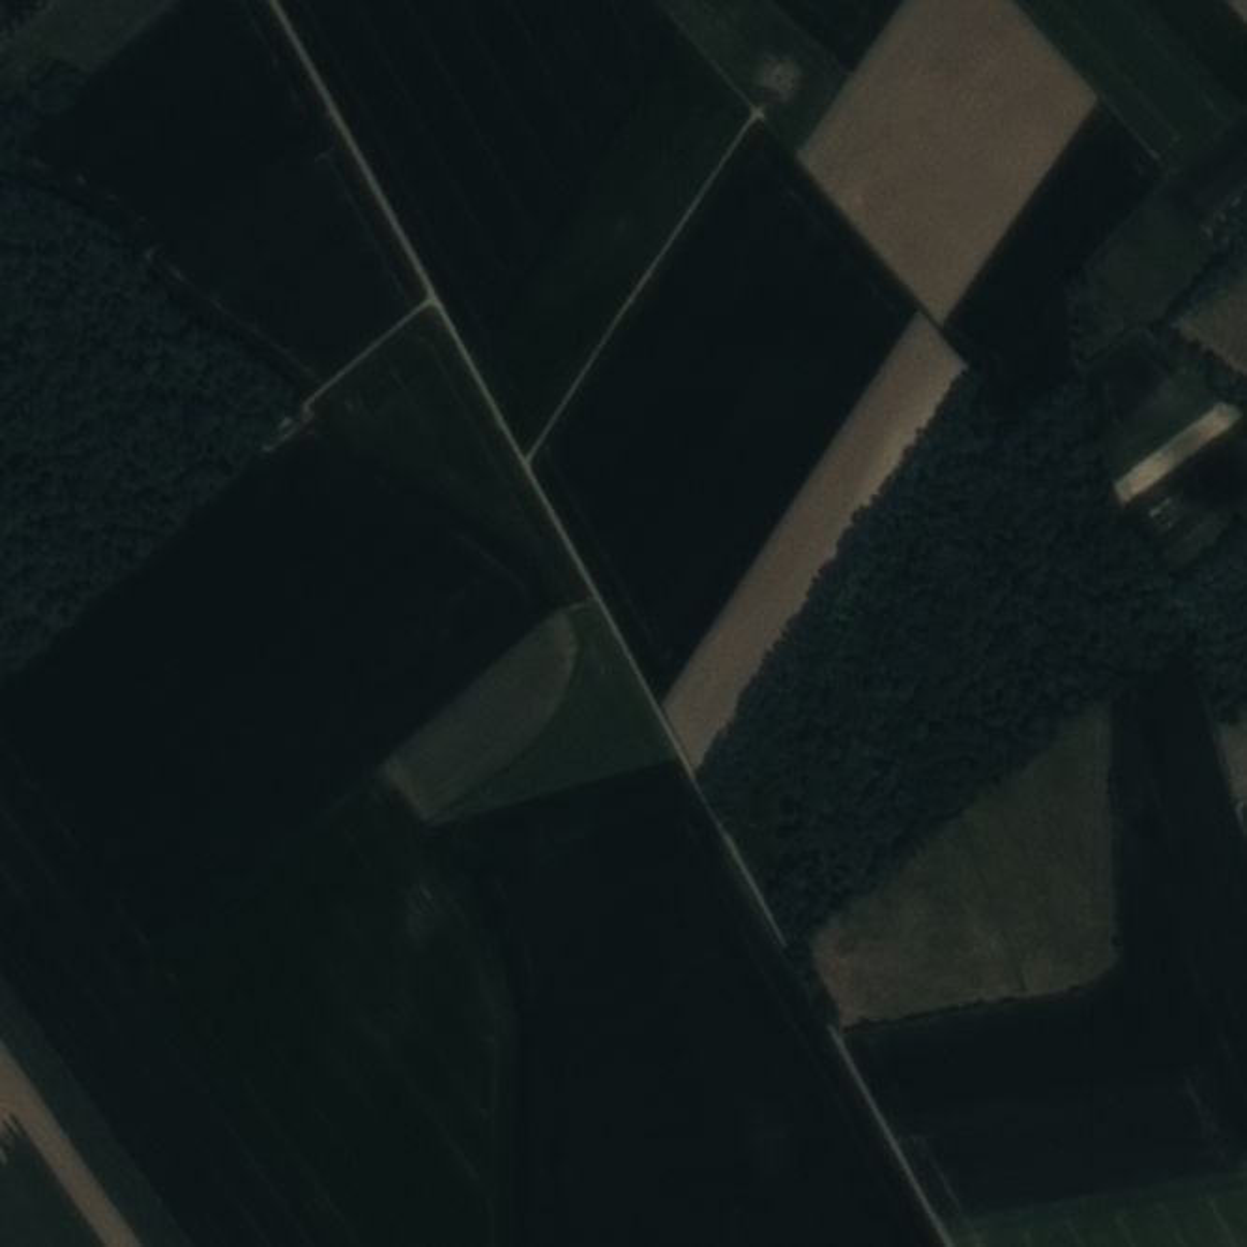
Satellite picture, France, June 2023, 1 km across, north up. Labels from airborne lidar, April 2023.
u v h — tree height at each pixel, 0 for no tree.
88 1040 0
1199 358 12
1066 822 0
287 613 0
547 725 0
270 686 0
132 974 0
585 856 0
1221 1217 0
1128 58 0
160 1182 0
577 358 0
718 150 0
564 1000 0
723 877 0
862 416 0
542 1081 0
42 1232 0
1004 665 26
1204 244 0
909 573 21
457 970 0
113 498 22
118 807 0
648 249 0
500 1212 0
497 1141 0
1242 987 0
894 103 0
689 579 0
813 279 0
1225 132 0
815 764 21
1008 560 22
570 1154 0
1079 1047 0
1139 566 26
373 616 0
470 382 0
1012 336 0
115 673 0
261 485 0
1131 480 0
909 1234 0
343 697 0
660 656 0
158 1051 0
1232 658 17
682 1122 0
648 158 0
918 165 0
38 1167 0
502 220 0
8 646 20
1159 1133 0
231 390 20
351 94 0
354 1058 0
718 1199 0
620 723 0
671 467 0
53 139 0
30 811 0
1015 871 0
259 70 0
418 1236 0
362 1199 0
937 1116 0
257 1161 0
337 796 0
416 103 0
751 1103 0
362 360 0
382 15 0
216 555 0
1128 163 0
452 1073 0
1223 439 0
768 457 0
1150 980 0
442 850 0
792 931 14
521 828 0
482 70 0
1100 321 0
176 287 0
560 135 0
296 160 0
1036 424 20
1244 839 0
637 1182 0
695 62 0
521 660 0
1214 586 16
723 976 0
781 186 0
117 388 24
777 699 22
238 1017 0
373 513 0
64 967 0
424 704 0
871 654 20
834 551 0
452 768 0
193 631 0
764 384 0
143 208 0
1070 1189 0
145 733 0
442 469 0
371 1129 0
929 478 17
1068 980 0
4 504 27
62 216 20
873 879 13
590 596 0
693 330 0
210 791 0
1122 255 0
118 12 0
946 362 0
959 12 0
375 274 0
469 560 0
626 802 0
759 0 0
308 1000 0
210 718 0
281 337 0
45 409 26
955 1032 0
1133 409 0
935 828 13
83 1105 0
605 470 0
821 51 0
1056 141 0
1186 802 0
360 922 0
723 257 0
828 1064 0
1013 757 21
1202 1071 0
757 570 0
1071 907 0
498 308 0
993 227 0
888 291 0
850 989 0
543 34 0
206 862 0
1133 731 0
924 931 0
